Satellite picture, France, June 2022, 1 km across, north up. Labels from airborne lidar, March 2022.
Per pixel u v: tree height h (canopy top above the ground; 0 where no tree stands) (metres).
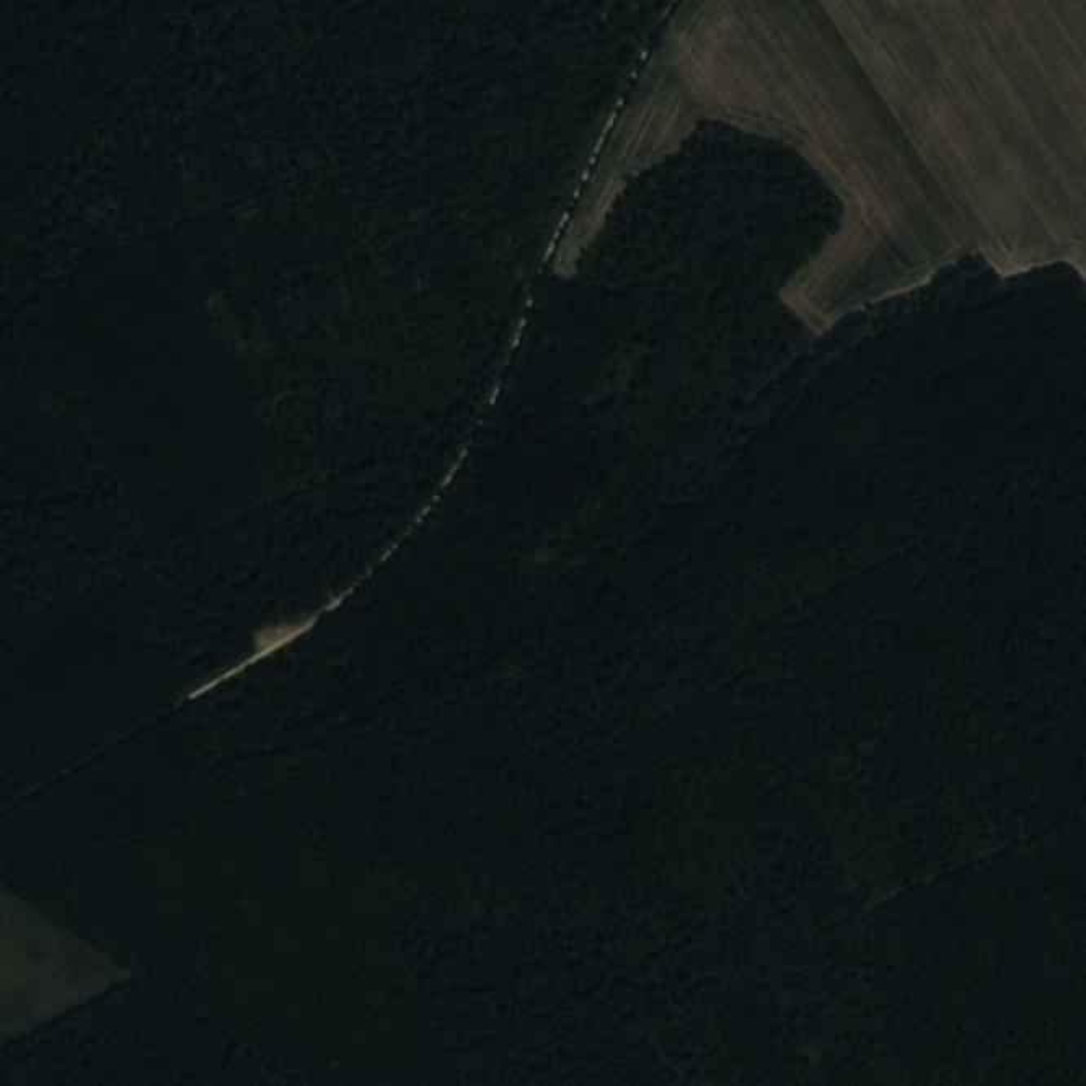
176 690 12
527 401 14
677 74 0
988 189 0
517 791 8
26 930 0
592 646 10
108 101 19
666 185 11
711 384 12
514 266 16
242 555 13
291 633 0
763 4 0
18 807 10
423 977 15
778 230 17
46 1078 14
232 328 6
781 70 0
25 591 15
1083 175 0
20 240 6
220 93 16
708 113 0
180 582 17
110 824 0
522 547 17
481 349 17
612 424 12
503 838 9
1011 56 0
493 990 17
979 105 0
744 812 5
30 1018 0
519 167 7
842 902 15
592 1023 17
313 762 14
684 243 16
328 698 12
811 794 6
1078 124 0
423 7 5
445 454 16
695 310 15
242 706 14
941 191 0
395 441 15
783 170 16
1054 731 0
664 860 9
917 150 0
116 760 0
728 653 7
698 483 13
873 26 0
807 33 0
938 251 0
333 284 7
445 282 6
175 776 0
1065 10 0
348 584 15
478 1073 17
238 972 0
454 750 6
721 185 19
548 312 14
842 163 0
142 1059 0
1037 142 0
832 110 0
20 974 0
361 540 17
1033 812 14
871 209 0
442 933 6
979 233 0
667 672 8
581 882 6
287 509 14
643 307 14
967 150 0
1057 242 0
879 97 0
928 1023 7
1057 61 0
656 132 0
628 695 19
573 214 13
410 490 19
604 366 17
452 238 6
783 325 7
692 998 19
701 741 8
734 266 18
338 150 16
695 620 11
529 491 13
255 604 18
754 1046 9
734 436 20
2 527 17
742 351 9
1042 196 0
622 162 0
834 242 0
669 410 15
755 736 5
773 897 13
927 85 0
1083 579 7
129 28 25
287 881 6
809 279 0
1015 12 0
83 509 19
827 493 0
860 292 0
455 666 14
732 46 0
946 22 0
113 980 0
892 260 0
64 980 0
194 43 19
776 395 18
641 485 17
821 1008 15
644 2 15
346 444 16
